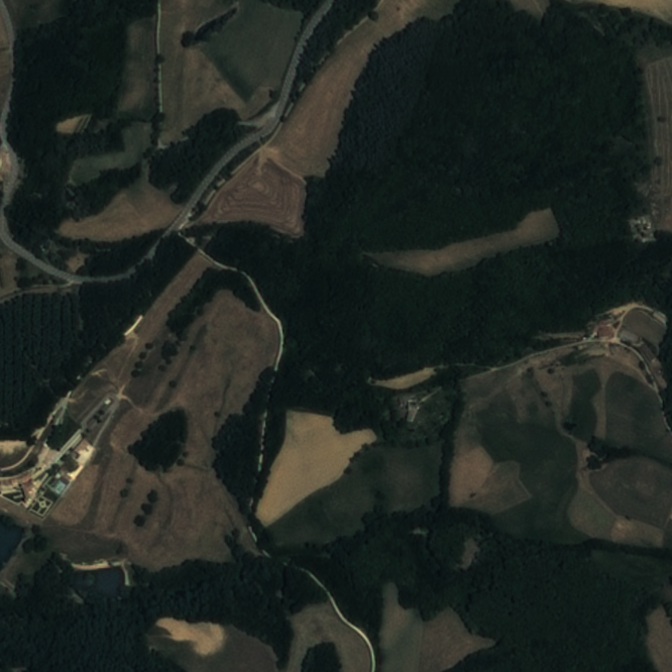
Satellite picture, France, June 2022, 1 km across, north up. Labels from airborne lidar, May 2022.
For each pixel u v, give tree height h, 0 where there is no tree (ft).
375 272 54
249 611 64
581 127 44
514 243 0
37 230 31
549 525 0
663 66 0
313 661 43
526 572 69
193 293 38
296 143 0
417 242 57
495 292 53
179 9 0
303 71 37
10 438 54
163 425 63
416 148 44
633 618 63
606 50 49
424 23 42
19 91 49
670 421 32
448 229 60
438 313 55
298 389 46
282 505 0
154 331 0
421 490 0
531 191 68
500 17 46
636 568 0
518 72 49
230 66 0
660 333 0
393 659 0
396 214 37
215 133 40
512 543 68
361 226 35
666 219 0
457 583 61
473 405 0
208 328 0
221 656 0
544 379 0
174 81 0
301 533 0
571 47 45
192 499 0
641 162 32
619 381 0
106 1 52
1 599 59
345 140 36
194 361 0
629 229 58
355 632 0
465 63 50
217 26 40
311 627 0
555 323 52
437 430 24
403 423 37
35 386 62
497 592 58
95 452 0
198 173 42
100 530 0
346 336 45
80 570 0
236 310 0
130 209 0
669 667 0
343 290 47
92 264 35
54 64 64
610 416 0
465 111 39
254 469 77
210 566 64
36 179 30
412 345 42
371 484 0
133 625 99
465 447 0
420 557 69
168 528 0
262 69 0
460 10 55
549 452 0
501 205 57
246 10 0
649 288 57
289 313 30
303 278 55
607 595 52
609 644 71
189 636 0
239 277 56
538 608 73
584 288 49
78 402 0
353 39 0
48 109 70
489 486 0
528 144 30
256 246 42
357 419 53
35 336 72
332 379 40
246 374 0
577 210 69
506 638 65
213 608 84
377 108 70
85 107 46
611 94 48
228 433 58
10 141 42
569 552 64
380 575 47
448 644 0
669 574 0
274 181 0
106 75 50
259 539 26
